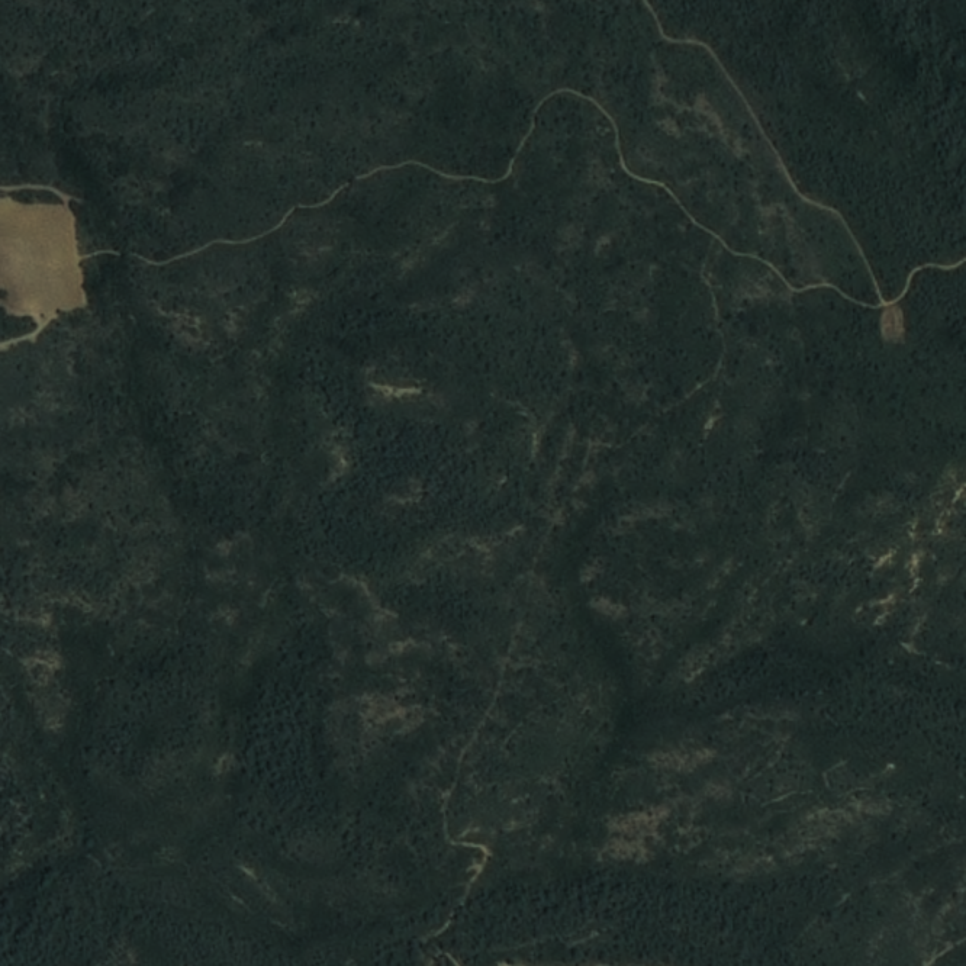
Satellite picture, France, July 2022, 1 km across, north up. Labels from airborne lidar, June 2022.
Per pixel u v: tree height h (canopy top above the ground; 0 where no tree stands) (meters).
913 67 5
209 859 8
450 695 9
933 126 13
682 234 0
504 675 0
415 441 12
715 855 0
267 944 8
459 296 0
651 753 0
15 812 10
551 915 9
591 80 10
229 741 11
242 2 9
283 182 8
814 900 7
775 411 0
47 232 0
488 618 6
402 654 0
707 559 0
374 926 7
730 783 0
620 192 7
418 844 10
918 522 0
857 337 6
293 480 7
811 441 0
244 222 7
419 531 9
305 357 7
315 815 9
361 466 7
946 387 7
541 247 6
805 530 0
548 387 8
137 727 8
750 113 0
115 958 6
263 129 6
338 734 0
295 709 9
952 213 7
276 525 8
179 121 8
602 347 0
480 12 7
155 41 6
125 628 7
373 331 8
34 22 12
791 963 10
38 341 0
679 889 11
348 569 8
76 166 7
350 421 9
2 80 8
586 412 8
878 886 0
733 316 11
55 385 0
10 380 0
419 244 7
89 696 6
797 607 8
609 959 10
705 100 0
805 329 0
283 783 10
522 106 8
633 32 7
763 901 6
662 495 7
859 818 0
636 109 6
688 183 0
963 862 0
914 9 14
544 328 6
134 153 7
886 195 6
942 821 5
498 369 7
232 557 0
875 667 7
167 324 6
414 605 9
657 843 0
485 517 8
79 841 12
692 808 0
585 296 6
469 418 0
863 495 0
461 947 8
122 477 8
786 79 10
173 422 6
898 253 7
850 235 0
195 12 6
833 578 10
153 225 11
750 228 0
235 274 0
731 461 7
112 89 9
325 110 8
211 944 7
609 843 0
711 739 7
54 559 8
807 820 0
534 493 7
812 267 0
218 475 8
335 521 10
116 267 7
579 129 6
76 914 12
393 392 0
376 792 6
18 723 6
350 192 7
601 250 0
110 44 10
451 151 5
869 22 7
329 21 0
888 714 7
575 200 0
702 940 6
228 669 7
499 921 8
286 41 9
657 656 0
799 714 0
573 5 6
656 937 7
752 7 11
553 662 0
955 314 6
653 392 7
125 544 8
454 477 10
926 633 8
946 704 9
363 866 10
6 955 10
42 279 0
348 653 0
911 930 0
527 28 6
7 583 9
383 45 8
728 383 0
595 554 7
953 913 0
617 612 0
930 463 0
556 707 7
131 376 6
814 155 8
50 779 10
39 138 5
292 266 0
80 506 0
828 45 11
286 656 12
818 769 0
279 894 0
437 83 6
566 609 7
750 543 0
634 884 10
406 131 0
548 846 0
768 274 0
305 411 8
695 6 9
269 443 10
